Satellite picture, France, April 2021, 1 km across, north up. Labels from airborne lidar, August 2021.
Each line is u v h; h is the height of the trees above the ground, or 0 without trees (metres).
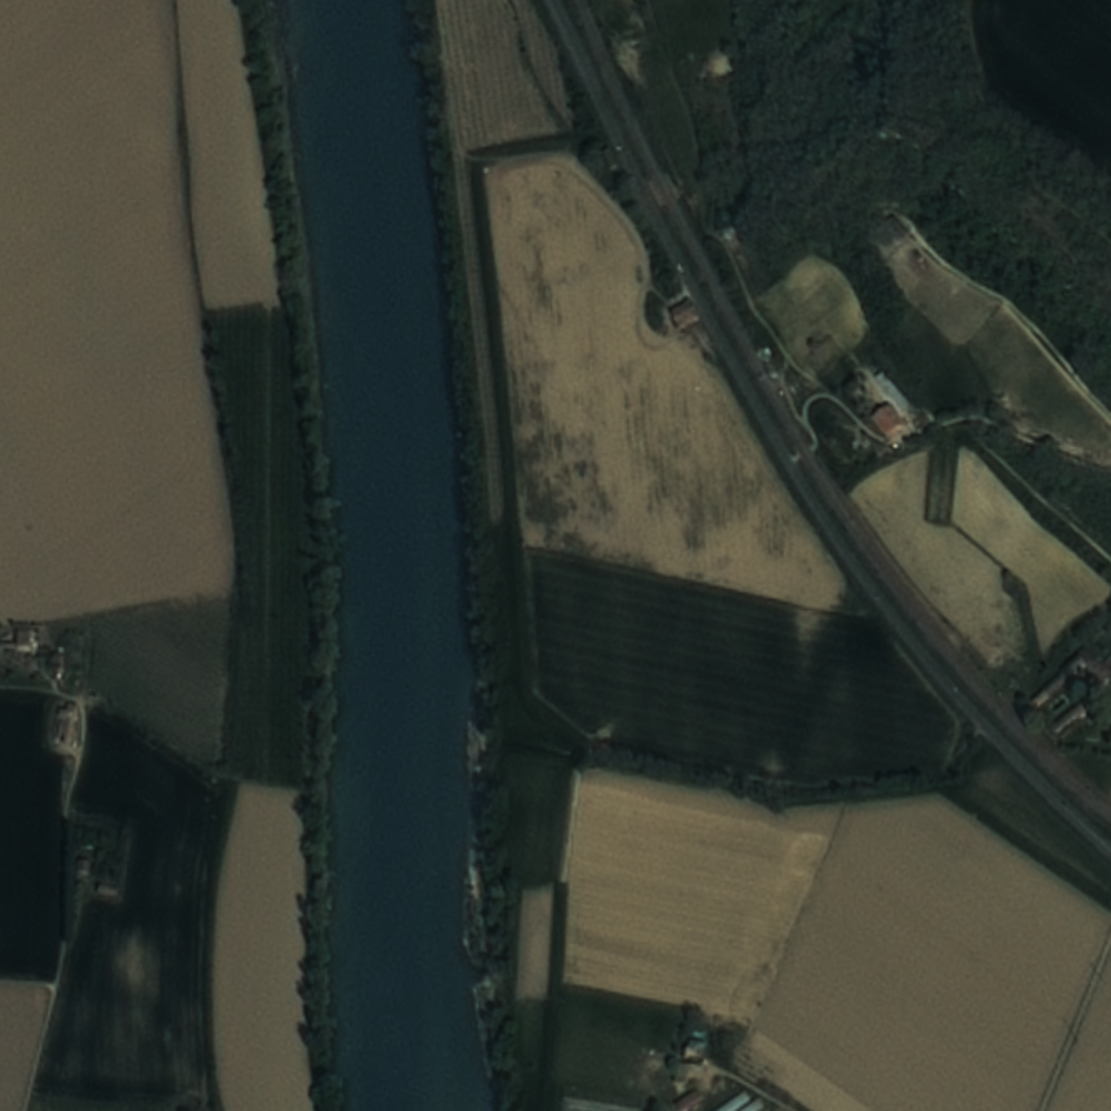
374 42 0
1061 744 6
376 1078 0
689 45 0
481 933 10
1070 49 0
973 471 0
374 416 0
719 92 0
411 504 0
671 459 0
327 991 26
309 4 0
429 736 0
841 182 13
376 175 0
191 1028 0
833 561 0
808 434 0
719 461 0
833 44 18
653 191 0
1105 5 0
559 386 0
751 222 19
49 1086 0
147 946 0
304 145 0
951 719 0
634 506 0
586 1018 0
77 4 0
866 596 0
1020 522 0
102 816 0
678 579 0
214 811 0
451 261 22
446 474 0
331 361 0
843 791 15
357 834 0
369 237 0
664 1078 0
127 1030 0
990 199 12
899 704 0
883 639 0
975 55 16
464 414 28
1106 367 10
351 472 0
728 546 0
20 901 0
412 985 0
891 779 10
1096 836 0
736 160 20
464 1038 0
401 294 0
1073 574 0
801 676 0
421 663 0
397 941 0
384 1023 0
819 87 19
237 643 0
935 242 10
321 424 8
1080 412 0
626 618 0
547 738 0
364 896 0
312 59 0
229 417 20
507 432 0
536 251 0
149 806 0
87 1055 0
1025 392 0
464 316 24
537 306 0
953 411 7
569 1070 0
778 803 15
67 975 0
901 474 0
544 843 0
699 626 0
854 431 0
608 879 0
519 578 0
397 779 0
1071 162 25
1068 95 0
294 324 11
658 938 0
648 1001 0
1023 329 0
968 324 0
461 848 0
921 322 0
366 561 0
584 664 0
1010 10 0
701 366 0
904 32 12
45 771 0
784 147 11
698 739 0
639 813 0
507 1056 12
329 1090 28
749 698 0
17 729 0
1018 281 27
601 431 0
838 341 0
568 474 0
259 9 14
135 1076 0
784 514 0
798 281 0
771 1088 12
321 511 27
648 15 13
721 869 0
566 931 0
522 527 0
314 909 21
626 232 0
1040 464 19
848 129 12
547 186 0
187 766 0
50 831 0
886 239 17
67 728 0
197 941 0
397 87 0
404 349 0
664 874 0
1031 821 0
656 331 0
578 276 0
